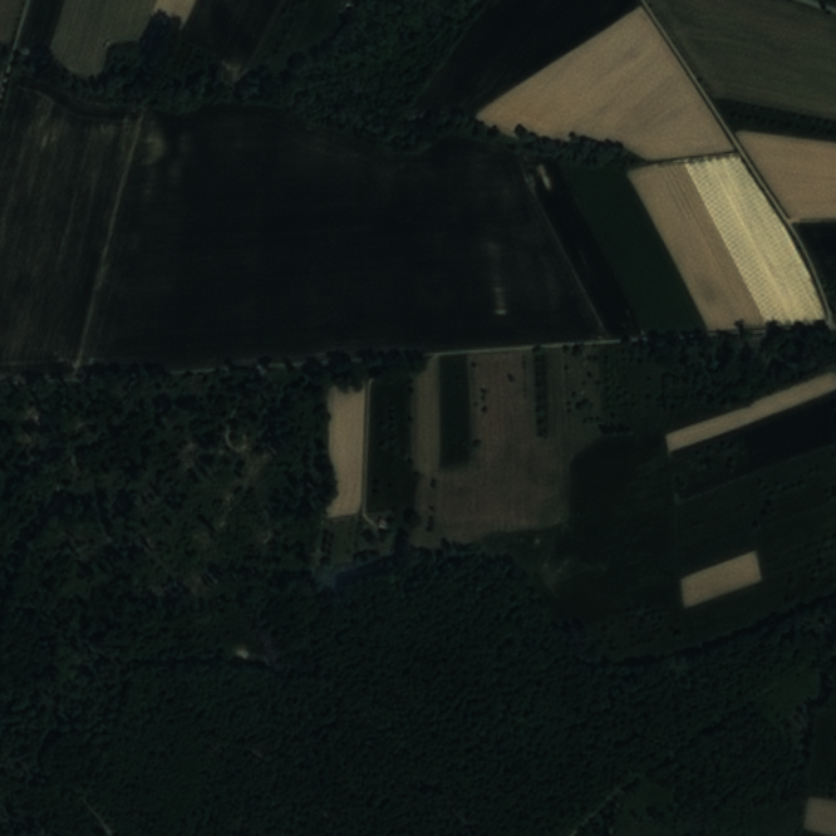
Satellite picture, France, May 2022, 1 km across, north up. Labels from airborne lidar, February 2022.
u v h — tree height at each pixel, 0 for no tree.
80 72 0
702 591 0
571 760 21
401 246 0
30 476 29
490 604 26
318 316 0
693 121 0
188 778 18
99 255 0
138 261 0
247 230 0
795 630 25
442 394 0
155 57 34
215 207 0
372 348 0
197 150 0
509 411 0
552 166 0
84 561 0
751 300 0
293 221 0
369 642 21
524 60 0
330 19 0
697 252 0
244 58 0
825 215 0
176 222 0
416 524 15
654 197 0
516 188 0
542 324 0
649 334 0
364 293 0
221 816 18
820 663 23
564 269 0
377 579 24
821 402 0
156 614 26
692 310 0
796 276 0
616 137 0
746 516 0
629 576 0
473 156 0
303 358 0
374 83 6
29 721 28
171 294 0
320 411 12
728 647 18
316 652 16
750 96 0
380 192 0
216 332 0
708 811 18
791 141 0
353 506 0
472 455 0
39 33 0
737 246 0
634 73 0
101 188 0
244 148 0
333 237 0
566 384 0
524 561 0
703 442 0
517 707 22
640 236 0
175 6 0
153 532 0
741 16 0
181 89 23
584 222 0
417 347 0
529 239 0
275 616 21
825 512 0
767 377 23
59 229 0
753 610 0
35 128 0
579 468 0
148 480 0
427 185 0
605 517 0
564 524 0
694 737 18
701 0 0
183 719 19
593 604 0
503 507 0
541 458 0
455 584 27
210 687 25
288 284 0
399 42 19
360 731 20
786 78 0
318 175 0
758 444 0
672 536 0
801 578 0
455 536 0
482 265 0
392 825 21
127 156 0
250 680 24
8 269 0
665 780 23
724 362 21
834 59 0
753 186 0
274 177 0
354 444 0
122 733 18
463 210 0
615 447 0
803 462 0
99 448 12
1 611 27
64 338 0
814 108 0
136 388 31
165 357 0
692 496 0
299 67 26
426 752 20
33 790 26
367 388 0
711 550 0
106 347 0
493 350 0
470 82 0
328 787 21
